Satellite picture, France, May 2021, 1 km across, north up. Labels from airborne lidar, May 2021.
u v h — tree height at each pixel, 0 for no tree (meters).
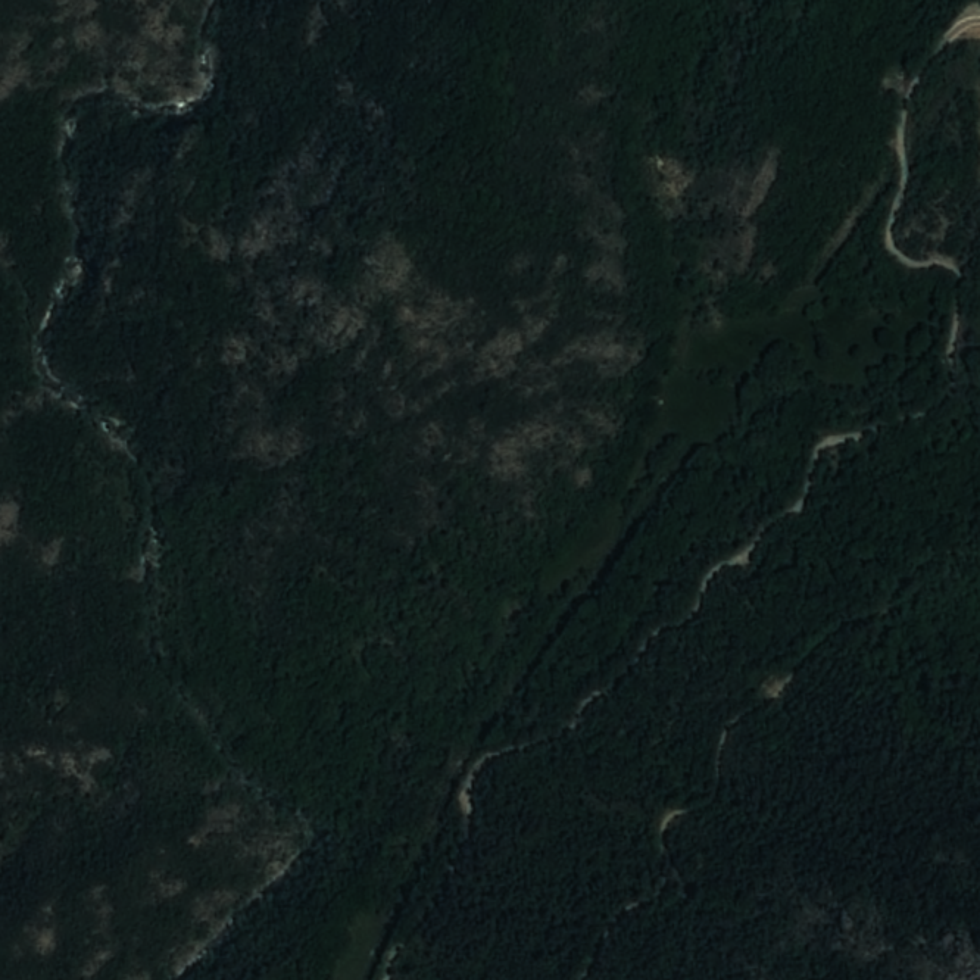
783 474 11
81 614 8
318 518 11
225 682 7
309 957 18
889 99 13
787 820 10
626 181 17
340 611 11
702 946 8
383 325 7
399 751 7
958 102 7
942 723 17
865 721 9
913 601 14
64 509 8
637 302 13
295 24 8
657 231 18
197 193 9
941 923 13
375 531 6
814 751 11
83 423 12
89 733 6
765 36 11
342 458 6
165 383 9
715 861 9
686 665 13
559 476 12
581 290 8
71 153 10
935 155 11
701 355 0
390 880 19
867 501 15
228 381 7
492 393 17
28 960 6
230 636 12
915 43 11
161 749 6
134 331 9
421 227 13
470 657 24
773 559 16
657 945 10
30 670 10
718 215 10
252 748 17
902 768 9
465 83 13
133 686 6
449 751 10
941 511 7
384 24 11
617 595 23
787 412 20
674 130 10
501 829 23
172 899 7
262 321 8
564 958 11
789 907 6
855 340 0
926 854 11
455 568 19
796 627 15
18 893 8
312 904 11
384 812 10
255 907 13
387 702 14
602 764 17
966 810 11
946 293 17
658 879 13
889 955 8
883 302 19
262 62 9
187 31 9
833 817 7
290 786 11
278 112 8
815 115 17
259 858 10
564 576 0
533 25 13
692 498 22
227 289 8
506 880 18
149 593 10
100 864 11
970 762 16
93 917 6
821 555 17
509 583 27
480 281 8
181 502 15
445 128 7
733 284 8
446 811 13
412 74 6
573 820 7
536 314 7
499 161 9
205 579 12
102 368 6
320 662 16
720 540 16
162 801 10
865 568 20
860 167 10
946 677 24
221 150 13
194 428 12
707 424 0
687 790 11
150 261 10
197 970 10
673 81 16
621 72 9
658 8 17
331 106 10
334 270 11
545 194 8
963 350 0
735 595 9
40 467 15
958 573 25
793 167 11
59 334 10
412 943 10
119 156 8
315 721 17
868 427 10
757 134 13
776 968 8
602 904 14
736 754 7
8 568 6
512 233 10
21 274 13
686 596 20
